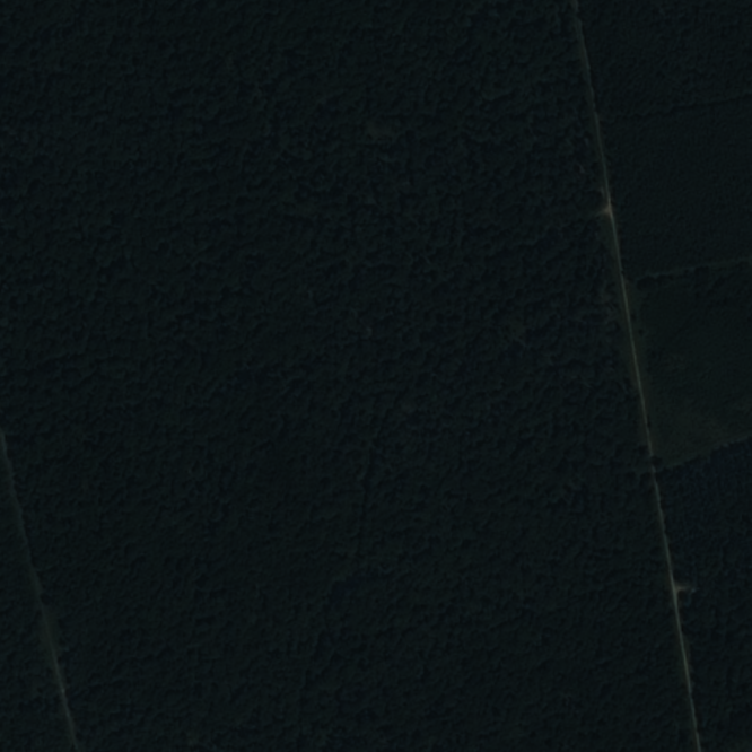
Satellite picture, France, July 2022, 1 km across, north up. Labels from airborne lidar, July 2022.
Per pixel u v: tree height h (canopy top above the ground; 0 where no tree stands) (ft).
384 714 74
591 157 74
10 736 38
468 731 69
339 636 76
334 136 87
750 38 54
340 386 87
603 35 59
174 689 77
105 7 72
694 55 70
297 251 57
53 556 67
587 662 65
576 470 83
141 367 87
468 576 78
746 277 18
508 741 51
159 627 66
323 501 83
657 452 0
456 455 63
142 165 61
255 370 29
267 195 86
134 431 73
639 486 46
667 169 50
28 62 71
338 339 79
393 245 86
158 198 20
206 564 75
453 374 61
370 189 81
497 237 76
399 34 50
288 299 56
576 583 86
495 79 26
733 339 20
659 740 72
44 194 81
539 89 70
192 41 67
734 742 67
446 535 77
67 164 95
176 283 91
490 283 70
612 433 82
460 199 84
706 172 45
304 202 96
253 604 63
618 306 75
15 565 67
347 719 94
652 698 66
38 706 71
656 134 47
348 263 94
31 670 76
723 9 63
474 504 88
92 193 85
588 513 93
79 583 68
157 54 63
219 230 84
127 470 49
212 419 84
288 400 92
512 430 62
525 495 74
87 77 52
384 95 78
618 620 66
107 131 88
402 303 87
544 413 75
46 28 43
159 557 70
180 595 88
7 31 90
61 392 75
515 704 73
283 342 86
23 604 70
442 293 88
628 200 44
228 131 73
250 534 69
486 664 73
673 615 57
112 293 75
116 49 53
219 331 81
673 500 57
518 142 87
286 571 85
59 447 65
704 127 48
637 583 77
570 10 74
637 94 71
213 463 86
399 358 85
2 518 81
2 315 91
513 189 87
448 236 78
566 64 72
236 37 76
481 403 65
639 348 0
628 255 39
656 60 68
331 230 64
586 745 65
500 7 88
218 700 81
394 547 70
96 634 70
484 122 78
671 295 19
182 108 92
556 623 72
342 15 82
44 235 69
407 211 50
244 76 80
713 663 81
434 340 74
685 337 19
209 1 86
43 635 0
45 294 73
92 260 94
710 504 69
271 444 66
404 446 72
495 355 64
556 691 69
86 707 65
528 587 76
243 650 89
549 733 70
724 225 45
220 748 76
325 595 63
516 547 70
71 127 85
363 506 38
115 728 47
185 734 81
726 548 82
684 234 37
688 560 52
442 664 67
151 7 70
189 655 75
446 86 76
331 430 89
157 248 78
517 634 79
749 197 33
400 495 68
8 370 21
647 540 83
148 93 75
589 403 75
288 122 54
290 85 75
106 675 70
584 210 76
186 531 69
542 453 59
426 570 74
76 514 81
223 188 88
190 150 73
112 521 57
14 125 52
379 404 89
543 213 83
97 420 82
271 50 84
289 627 65
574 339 92
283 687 75
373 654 79
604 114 62
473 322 73
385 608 67
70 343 91
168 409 75
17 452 66
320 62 73
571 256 85
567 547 87
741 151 42
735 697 91
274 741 78
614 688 69
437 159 86
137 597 69
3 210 87
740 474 78
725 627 60
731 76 74
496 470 82
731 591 67
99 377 80
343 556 82
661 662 73
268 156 88
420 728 78
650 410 0
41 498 62
